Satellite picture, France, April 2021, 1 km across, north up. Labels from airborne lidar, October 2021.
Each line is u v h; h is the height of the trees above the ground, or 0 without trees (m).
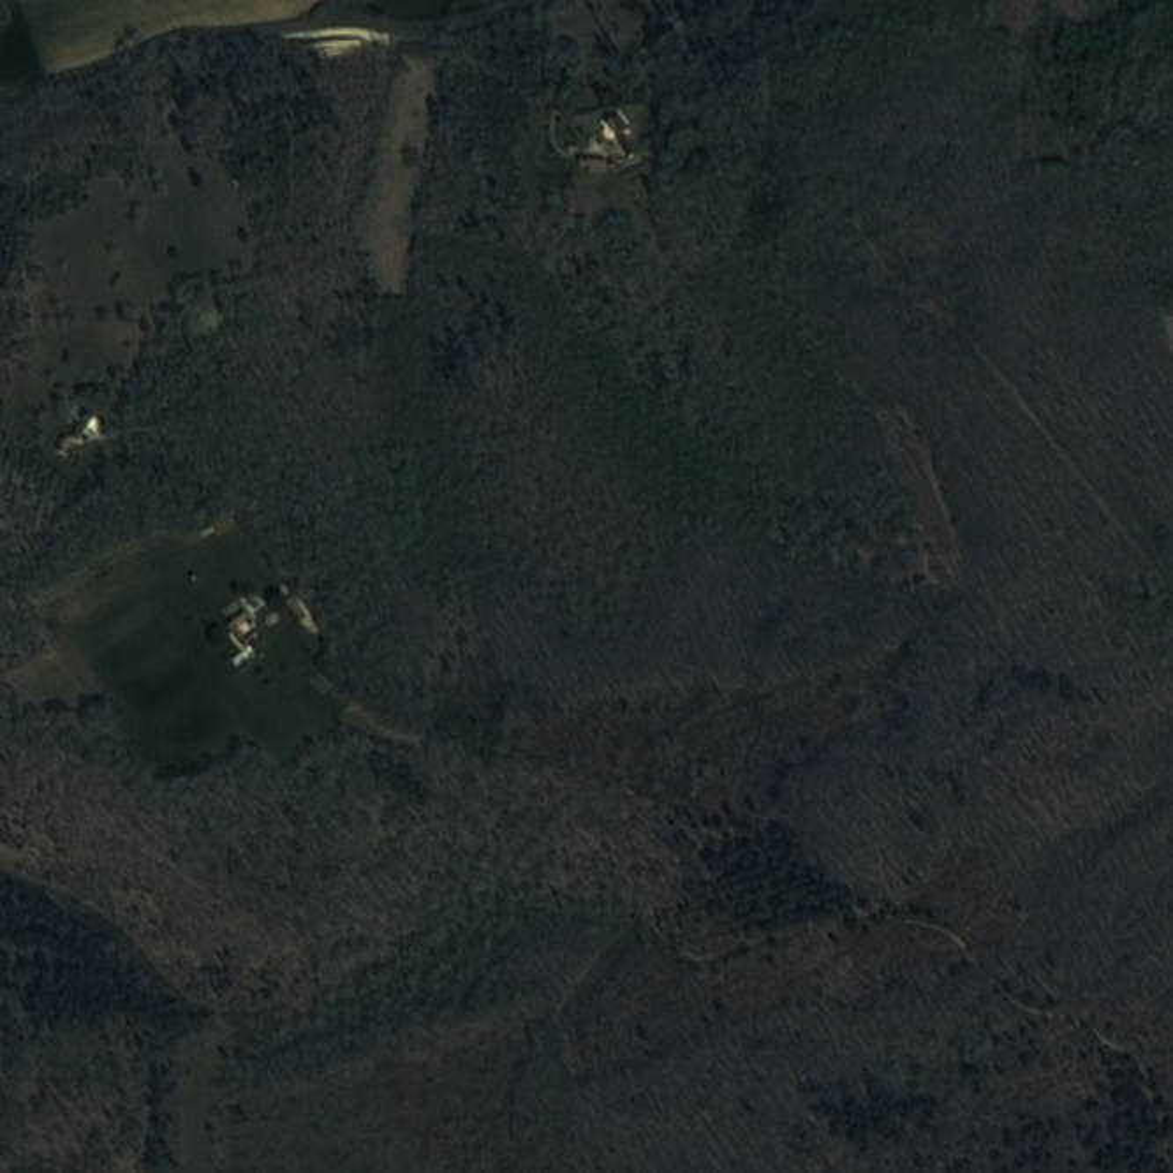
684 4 17
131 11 0
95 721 21
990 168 19
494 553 11
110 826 18
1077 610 18
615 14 0
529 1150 15
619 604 13
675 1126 17
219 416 20
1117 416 17
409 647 19
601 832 14
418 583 13
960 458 17
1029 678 17
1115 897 13
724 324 15
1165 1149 8
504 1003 18
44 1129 13
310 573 25
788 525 16
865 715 18
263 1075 13
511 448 7
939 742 14
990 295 18
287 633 0
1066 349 17
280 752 0
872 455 19
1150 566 11
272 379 17
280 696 0
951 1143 9
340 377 8
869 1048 17
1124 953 12
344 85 7
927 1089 13
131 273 0
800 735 7
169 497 23
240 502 18
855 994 8
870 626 18
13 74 0
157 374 19
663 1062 17
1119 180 16
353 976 7
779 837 16
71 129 11
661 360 16
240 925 20
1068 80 9
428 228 14
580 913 18
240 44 12
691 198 18
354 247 11
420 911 21
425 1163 7
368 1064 15
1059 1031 7
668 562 12
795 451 17
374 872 22
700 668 18
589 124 0
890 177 13
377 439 14
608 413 13
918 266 12
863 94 13
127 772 22
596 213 0
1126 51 16
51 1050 12
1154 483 16
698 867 13
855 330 17
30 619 16
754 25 7
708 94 20
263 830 20
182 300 16
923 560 14
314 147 6
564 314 14
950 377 16
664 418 18
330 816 17
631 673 15
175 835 19
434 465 12
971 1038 14
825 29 9
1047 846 15
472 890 20
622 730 5
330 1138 0
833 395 17
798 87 13
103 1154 16
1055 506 18
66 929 20
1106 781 15
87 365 0
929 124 16
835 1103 12
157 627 0
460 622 20
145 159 13
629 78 10
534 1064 14
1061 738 13
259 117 10
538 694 16
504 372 7
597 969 7
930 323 14
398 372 15
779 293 14
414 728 18
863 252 15
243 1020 8
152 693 0
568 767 17
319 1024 16
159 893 15
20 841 6
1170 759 15
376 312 11
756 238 9
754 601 17
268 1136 0
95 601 0
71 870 9
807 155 13
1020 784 9
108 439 16
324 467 16
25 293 12
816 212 13
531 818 13
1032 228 16
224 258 0
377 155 10
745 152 22
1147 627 20
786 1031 15
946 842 16
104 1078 13
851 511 23
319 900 20
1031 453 18
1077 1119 12
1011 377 16
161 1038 17
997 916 8
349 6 14
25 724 18
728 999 8
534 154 0
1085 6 7
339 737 12
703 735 7
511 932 23
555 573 13
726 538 18
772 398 16
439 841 16
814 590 17
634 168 0
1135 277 16
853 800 14
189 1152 0
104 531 22
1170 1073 7
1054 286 16
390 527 21
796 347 14
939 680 18
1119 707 16
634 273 18
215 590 0
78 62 0
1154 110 20
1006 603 19
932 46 17
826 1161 14
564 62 15
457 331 7
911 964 8
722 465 20
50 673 0
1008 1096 7
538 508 9
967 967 8
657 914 9
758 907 17
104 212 0
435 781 21
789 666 18
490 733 7
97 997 21
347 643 24
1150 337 16
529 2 6
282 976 10
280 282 18
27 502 10
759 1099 15
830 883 16
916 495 19
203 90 9
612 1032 6
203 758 0
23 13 0
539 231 12
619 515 8
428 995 12
